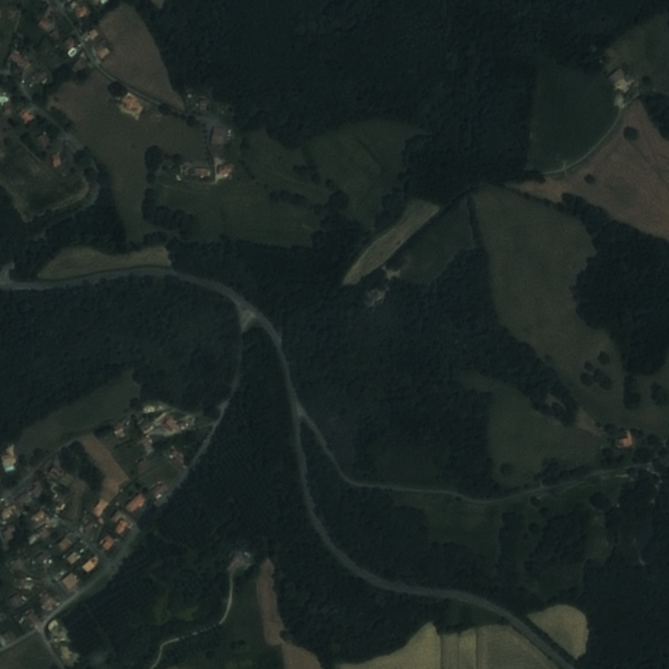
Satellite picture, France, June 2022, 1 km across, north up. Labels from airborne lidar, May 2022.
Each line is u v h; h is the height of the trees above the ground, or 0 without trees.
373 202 0
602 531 0
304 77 20
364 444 16
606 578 18
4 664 0
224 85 25
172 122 0
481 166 20
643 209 0
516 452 0
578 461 0
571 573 0
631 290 19
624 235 18
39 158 10
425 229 10
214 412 24
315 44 24
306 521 20
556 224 0
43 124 6
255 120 24
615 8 25
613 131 0
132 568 21
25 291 13
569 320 0
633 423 0
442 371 14
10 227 25
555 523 15
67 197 0
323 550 13
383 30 23
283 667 0
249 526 26
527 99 22
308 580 10
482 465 11
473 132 11
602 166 0
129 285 12
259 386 22
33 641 0
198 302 7
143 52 0
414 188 16
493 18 19
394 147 0
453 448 11
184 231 22
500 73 20
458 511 0
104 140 0
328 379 11
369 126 0
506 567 20
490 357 21
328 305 16
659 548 19
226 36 21
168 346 13
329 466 20
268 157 0
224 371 14
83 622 22
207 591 22
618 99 0
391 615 15
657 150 0
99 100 0
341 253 27
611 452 14
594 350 0
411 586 20
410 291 16
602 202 0
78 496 0
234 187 0
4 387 24
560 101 0
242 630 0
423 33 21
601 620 16
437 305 13
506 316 0
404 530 24
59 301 27
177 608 8
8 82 10
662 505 16
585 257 0
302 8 26
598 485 0
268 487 28
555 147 0
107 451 0
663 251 10
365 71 23
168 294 14
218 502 10
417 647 0
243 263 19
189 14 27
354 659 10
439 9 24
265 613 0
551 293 0
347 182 0
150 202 16
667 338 18
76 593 0
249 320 0
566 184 0
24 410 9
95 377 19
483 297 20
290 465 19
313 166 9
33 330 16
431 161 16
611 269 20
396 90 21
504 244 0
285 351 17
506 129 28
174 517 25
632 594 19
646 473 12
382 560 23
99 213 23
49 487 7
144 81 0
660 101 24
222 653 0
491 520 0
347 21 24
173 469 0
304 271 27
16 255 24
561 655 9
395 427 13
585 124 0
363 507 19
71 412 0
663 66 0
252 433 15
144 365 9
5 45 0
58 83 9
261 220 0
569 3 7
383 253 0
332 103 22
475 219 12
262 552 12
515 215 0
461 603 0
